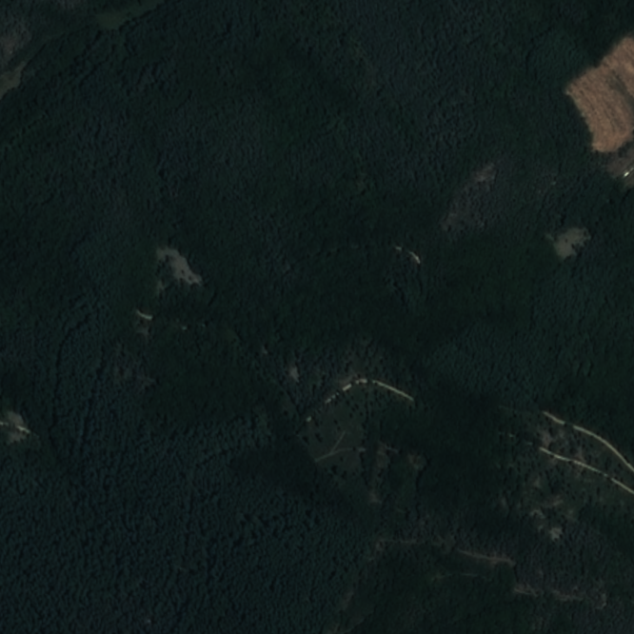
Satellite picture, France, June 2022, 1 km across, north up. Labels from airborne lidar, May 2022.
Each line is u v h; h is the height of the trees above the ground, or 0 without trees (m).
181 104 12
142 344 9
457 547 8
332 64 8
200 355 9
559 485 13
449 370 27
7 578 26
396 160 16
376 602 9
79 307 27
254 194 13
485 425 22
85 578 31
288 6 15
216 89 12
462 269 24
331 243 23
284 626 29
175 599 24
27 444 11
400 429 14
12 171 13
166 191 20
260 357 22
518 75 14
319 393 9
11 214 12
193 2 27
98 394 29
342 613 8
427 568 10
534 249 17
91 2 12
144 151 27
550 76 26
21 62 16
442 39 16
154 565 24
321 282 17
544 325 26
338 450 0
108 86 32
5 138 10
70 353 23
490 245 24
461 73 17
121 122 15
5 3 21
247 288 19
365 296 15
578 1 18
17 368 18
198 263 16
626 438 13
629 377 20
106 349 16
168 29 32
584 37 7
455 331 26
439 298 26
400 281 16
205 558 24
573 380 16
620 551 6
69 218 17
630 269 15
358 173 14
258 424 29
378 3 15
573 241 0
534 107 16
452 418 20
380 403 13
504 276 20
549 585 13
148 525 28
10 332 17
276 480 22
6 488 30
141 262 19
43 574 30
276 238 14
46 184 9
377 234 17
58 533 28
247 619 26
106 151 16
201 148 21
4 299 15
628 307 14
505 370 31
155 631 26
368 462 16
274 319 15
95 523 32
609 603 9
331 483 19
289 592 26
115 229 15
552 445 9
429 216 16
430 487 22
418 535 17
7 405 19
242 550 31
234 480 23
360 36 10
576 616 18
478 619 9
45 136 16
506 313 26
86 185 17
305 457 24
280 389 12
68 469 22
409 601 15
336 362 11
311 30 12
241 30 30
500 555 8
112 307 18
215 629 25
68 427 26
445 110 8
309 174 14
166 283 11
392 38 10
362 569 17
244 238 17
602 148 0
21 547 34
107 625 27
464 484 20
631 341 17
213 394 21
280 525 29
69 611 22
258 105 18
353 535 26
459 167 13
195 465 29
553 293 23
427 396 25
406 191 17
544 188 14
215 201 16
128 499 34
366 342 14
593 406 10
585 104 0
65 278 14
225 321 17
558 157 13
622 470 10
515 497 11
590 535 15
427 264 14
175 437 13
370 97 7
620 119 0
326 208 17
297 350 14
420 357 25
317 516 18
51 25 13
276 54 13
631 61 0
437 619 8
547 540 11
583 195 31
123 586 38
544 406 21
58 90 28
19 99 24
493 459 18
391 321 23
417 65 12
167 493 30
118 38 19
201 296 15
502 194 15
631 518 10
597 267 20
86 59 12
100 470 29
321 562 24
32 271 14
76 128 15
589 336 12
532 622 10
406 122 11
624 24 6
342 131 8
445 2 12
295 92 12
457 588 9
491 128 13
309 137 11
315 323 16
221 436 26
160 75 31
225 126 12
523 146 14
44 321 23
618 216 21
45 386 19
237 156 12
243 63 10
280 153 15
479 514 17
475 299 15
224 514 26
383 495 6
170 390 19
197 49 11
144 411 15
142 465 29
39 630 30
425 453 22
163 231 23
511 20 10
